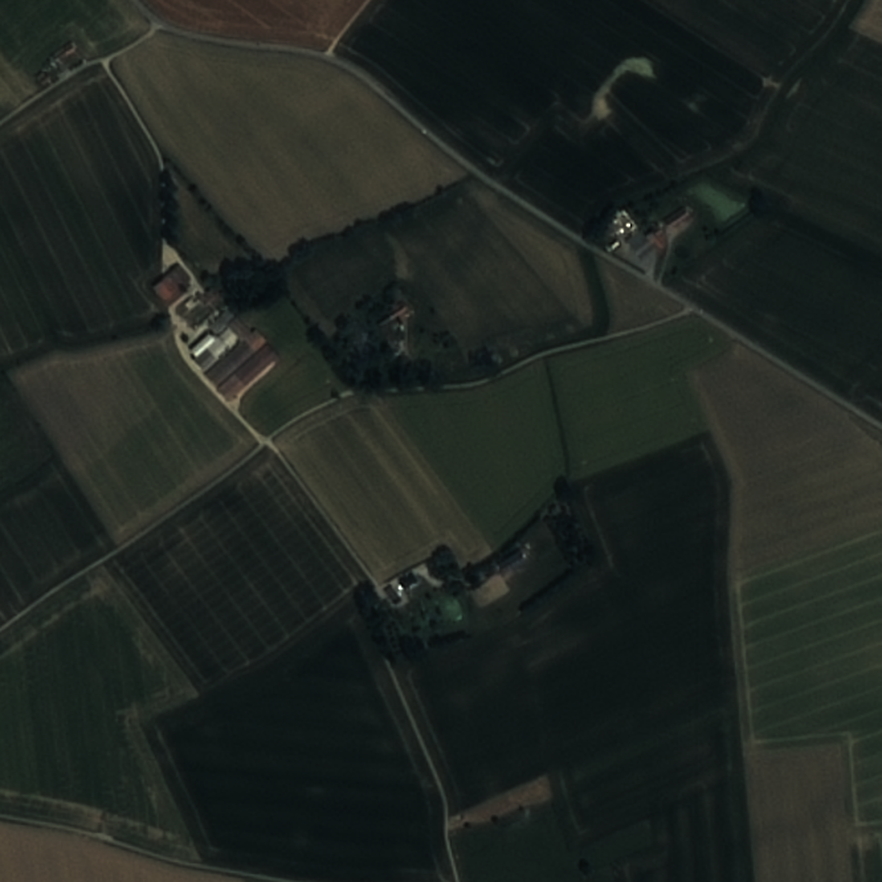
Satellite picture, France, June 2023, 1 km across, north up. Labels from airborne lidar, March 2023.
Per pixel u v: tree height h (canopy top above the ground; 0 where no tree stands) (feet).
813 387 0
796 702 0
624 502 0
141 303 0
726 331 0
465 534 0
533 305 0
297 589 0
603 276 0
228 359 0
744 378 0
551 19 0
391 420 0
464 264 0
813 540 0
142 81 0
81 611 0
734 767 0
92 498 0
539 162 0
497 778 0
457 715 0
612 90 0
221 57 0
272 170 0
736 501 0
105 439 0
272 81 0
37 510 0
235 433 0
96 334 0
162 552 0
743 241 0
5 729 0
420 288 0
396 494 0
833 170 0
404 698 0
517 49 0
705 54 0
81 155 0
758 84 0
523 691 0
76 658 0
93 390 0
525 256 0
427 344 0
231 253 0
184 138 0
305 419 0
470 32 0
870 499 0
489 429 0
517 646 0
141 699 0
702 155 0
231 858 0
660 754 0
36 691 0
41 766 0
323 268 0
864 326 0
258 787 0
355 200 0
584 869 38
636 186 0
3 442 0
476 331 0
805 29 0
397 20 0
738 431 0
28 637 0
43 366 0
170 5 0
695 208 0
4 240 0
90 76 0
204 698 0
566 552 29
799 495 0
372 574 0
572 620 0
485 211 0
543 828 0
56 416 0
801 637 0
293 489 0
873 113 0
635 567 0
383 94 0
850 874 0
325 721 0
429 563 18
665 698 0
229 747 0
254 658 0
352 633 0
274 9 0
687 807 0
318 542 0
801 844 0
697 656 0
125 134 0
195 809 0
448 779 0
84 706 0
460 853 0
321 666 0
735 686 0
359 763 0
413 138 0
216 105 0
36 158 0
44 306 0
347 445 0
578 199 0
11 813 0
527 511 0
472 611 0
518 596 0
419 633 30
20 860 0
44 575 0
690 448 0
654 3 0
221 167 0
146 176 0
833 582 0
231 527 0
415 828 0
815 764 0
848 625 0
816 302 0
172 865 0
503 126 0
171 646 0
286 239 0
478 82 0
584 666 0
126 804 0
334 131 0
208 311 0
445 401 0
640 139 0
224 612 0
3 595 0
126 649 0
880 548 0
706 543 0
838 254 0
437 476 0
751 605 0
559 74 0
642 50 0
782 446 0
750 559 0
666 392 0
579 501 0
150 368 0
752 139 0
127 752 0
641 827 0
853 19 0
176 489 0
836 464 0
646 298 0
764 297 0
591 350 0
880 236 0
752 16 0
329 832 0
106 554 0
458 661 0
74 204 0
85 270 0
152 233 0
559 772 0
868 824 0
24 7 0
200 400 0
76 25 0
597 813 0
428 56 0
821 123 0
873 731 0
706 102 0
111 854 0
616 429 0
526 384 0
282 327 0
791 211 0
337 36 0
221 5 0
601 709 0
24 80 0
